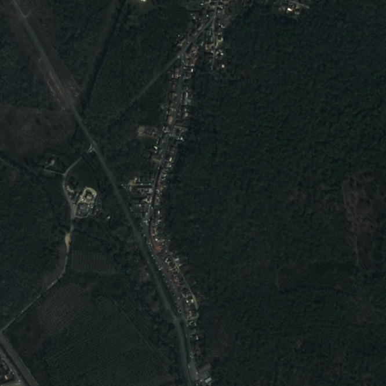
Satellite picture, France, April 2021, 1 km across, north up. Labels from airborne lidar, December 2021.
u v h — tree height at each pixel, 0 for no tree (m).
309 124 23
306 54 20
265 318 17
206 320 13
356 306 18
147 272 6
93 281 24
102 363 29
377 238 0
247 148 18
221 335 22
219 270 16
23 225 14
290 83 21
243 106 23
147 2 0
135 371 27
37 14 0
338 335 19
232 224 16
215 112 21
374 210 0
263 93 21
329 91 10
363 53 19
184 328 7
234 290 16
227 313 18
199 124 14
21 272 17
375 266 0
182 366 17
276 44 16
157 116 8
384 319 20
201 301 8
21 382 0
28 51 0
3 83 10
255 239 19
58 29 0
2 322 13
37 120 0
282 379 15
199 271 17
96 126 19
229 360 19
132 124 37
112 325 29
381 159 20
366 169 18
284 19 16
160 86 9
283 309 17
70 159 7
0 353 0
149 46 26
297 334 16
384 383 10
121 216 16
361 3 15
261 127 16
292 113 22
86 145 9
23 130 0
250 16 19
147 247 6
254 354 17
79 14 0
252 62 23
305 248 15
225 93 23
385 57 13
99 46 0
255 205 22
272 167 11
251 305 22
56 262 18
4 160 15
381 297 19
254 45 11
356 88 25
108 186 16
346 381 16
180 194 19
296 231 23
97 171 17
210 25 0
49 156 0
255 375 17
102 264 27
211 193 12
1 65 10
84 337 29
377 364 20
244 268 15
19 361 0
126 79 34
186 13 11
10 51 29
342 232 18
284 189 23
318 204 24
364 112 16
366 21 21
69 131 32
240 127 21
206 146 27
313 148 23
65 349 28
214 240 17
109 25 0
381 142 22
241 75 18
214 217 19
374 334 21
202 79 12
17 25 0
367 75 16
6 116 0
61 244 15
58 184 13
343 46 22
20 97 16
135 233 20
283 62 14
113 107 33
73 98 0
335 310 20
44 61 0
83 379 35
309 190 21
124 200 14
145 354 29
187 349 6
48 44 0
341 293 12
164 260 0
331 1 20
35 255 10
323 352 18
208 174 19
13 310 14
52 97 0
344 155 17
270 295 20
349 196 0
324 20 25
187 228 21
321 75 21
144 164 6
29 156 0
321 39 25
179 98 0
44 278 17
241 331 19
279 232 14
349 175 15
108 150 16
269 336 24
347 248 22
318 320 15
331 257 13
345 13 26
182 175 19
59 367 29
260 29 25
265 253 19
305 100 21
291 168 11
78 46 26
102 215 11
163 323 22
